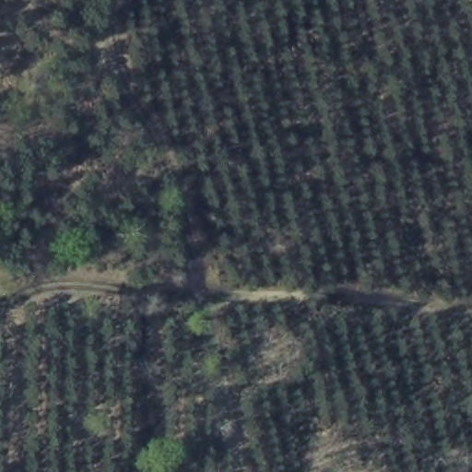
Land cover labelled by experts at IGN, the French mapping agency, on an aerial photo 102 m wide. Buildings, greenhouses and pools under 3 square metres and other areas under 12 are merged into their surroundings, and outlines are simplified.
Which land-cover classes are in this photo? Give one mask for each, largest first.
<instances>
[{"label":"bare soil","instance_id":"1","mask_svg":"<svg viewBox=\"0 0 472 472\"><path fill-rule=\"evenodd\" d=\"M111 22L103 29L107 39L98 42V63L105 68L111 81L118 85L122 105L127 112V118L138 120L142 124L144 135L147 144L170 149L166 151L168 160L181 166L173 177L184 197L181 242L186 260L183 265L179 273H173V282H155L133 286L125 282L79 275L65 277H53L50 278V282H44L39 288H31L28 280H24L18 291L0 297V387H6V472H28V413L39 417V472H48L50 415L46 413V409L50 393L48 374L52 354L59 356V472H87L85 448L92 446L94 463H101L107 441L114 442L116 472H138L136 463L140 454L146 450L147 444L166 435V415L170 411L184 409L186 398L192 396L197 404L195 435H184L183 442L186 454L175 468V472H260L245 435L242 398L243 393L247 391H251L254 396L258 395L265 385H269L273 420L280 435L282 454L297 452L301 461V466H293L288 470L277 465L273 441L269 435V424L265 419L264 400L256 398L254 413L260 428V442L264 448L269 472H387V466L376 468L369 463L371 454L385 452L383 426L391 428V442L395 444L396 461L400 466V472H411L398 426V406L406 407V422L415 437V455L419 461L420 472H472V454L461 448H452L450 452L442 450L441 433L435 424L431 393H441V400L457 395L461 400H465L463 372L454 352V324H459L465 336L463 347L472 354V293L466 291L461 297H454L452 306L444 304L441 299L439 273L431 265L426 247L415 258L417 262L407 265L406 269L413 291L407 299L400 295V278L396 275L395 260L387 242V234L393 230V221L389 218H383L376 190V177L367 183L369 205L372 216L376 219L378 247L382 251L385 267L387 278L395 286L389 293H365L360 289V275L352 249V234L345 216V206L341 203L337 190L328 144L324 140L321 111L313 98L308 70L304 63V52L299 41V17L295 9L297 0H282L288 13L289 33L282 35L278 28V0H262L273 35V57H265L264 35L258 22V11L254 6L258 0H225L227 26L214 28L219 57L223 63V87H219L212 74V59L206 46L205 31L201 26V17L197 9L199 0H184L192 24L195 48L203 59V76L216 107L218 127L214 129L206 125V112L203 111V100L195 81L192 61L186 59L173 65L171 61L170 44H177L179 50L186 48L181 18L177 17L175 11L177 0H147L153 20L159 28L162 59L146 65L147 81L151 87V103H146L142 98V90L136 88L133 83V70L127 65L129 46L125 44L124 35L127 20H135L136 28L146 26L142 15L144 0H111ZM240 2L245 4L249 15L254 50L258 53L256 63L247 57L245 44L240 37ZM230 50H236L242 66L243 85L249 94L256 133L264 147L267 160L269 184H262L260 181V168L253 157L249 127L243 116L242 103L238 100L234 88ZM286 52L293 53L295 72L299 76L304 94V105L297 107L299 118H289V127H284L280 114V101L293 98V88L289 83L284 61ZM159 72L168 74V83L173 92V107L179 122V135H171L170 125L166 120ZM177 72L186 74L188 90L194 100L195 118L199 125L197 133H190ZM225 109L234 112V124L240 135L238 144L230 140ZM264 122L273 124L278 144L282 147L288 175L286 183L278 181L275 151L269 144ZM216 131L225 151L229 153L230 179L242 208V232L232 227L227 190L216 164L214 144L210 140V135H214ZM310 138L321 153V162L324 166V177L321 179L315 175L313 168L312 153L308 149ZM242 164H245L251 173V183L256 192V205L260 210V221L264 227V238H254L249 199L243 188L242 177L238 173ZM206 179L214 181L219 197L218 206L210 205L206 199ZM267 194H275L277 199V218L280 223L278 229H271ZM286 194L293 195L295 199L302 240L312 253L310 269H304L301 249L291 236L288 212L284 205ZM323 194L332 197L339 219V230L343 236V245H336L332 240L330 223L326 219V210L321 201ZM310 212H315V218L319 223L326 247L324 254H319V247L313 242L308 219ZM227 236L230 242L240 247V256L234 258L232 264L243 280L249 282L256 277V282L262 289L253 291L242 288L232 293L229 289L216 286L219 275L218 269L214 267L206 273L205 256L218 247L219 238ZM258 247H264L267 251L278 282L284 277L282 258L289 256L291 265L297 273L299 289H264L267 286V278ZM324 264L332 265L334 284H326L319 288L315 286L319 304L341 306L343 312L347 315L348 337L358 365V376L367 389L369 417L374 422V431H365L361 426L360 404L348 376L347 358L343 339L337 332V321L332 317L328 321L319 319L310 324L317 339V367L321 374H324L330 371V367H337L339 382L347 396L350 415V428H343L339 422L337 400H330L328 407L332 426L328 430L319 431V404L313 380L304 376L297 380L293 376V367L299 365V361L306 360L301 345V337L306 336L301 326L304 323L310 310L308 304L302 301L304 291L301 289L308 280L315 278L317 282L319 278L324 277ZM28 301L39 302L37 334L41 339V391L39 400L33 404H28L26 398L24 376L26 326L22 323L26 321V310L22 306ZM253 301H265L264 315L267 326L262 330V336L253 339L251 345L243 347L238 354H230L229 350L223 347L221 326L225 324V319L232 317V337L254 330L256 312ZM50 310L55 312V319L63 332L68 330V321H76L74 358L77 361V402L74 411H66V343L50 336L44 326L46 313ZM376 312L382 313L385 332L383 343H378L372 328V317ZM435 312L441 324L442 341L446 345L444 358H437V345L431 334L428 313ZM413 317H419L426 339L428 352L422 356L419 354L415 330L411 326ZM105 319H111L114 324V389L124 385L122 369L125 343L122 336L125 323L133 321L136 324V348L131 365L135 382V419L133 446L127 457L124 455V444L120 441L124 428V411H120V402H107L105 391L107 354L101 334ZM168 319L175 321L173 376L183 371L186 352L190 350L194 354V382L184 383L177 391L175 402L170 404H166L162 396V389L166 383V354L162 328ZM358 328H363L367 336L376 371H369L365 365L358 339ZM88 336H94V385L98 402V406L90 409L87 407ZM387 354L395 365L396 385H389V376L383 369L382 356ZM206 391L216 395L212 433L205 431L206 402L203 395ZM306 7L304 29L315 57L317 81L323 90L339 88L343 92L345 105L337 111H332L337 140H347L343 122H350L354 131L356 153L361 160V170L382 166L387 175L389 206L398 203L395 170L391 166V160L385 157L382 129L374 107L378 98L383 101L387 122L391 127V135L395 140L396 151L404 170L409 205V219L406 221L419 223L420 216L419 205L411 162H419L422 175L424 171L430 170L431 166H442L446 160L442 159L441 151L437 155L424 153L415 120L413 98H420L422 101L428 135L448 136L455 127L454 124L437 122L431 105L433 88L441 90L439 101L446 103L448 88L441 79L437 46L431 41L430 18L426 7L428 0H415L424 31L422 39H415L411 18L407 15V0H376L380 6L383 35L389 52L393 55L395 76L398 77L404 92L407 129L413 140V147H407L396 116L395 101L387 92L385 61L378 53L374 39V24L367 9L371 0H337L343 26L350 37V53L354 59V68L347 70L341 57V42L330 9L332 0H302ZM315 9H321L323 13L324 31L330 39L328 57H321V41L317 39V31L313 24ZM389 13H395L404 29V39L407 48L411 50V65L415 70L413 77L406 76L404 72L402 52L398 48L395 31L391 28ZM369 63H372V65L376 66V70H378V90H376V92H369V76L365 74V65H369ZM361 109L369 111L376 155H369L365 149ZM437 22L441 26L442 42L446 46V59L452 66L457 94L466 87L461 74V63L455 57L454 39L450 35V20L459 22L463 46L466 52L470 53L472 61V0H433ZM352 216L361 236L365 267L374 264L369 227L361 212L360 190L356 184L347 183ZM452 442L457 441L459 435L465 433L472 439V415L463 420L461 426H455L448 431Z\"/></svg>","mask_w":472,"mask_h":472},{"label":"coniferous trees","instance_id":"2","mask_svg":"<svg viewBox=\"0 0 472 472\"><path fill-rule=\"evenodd\" d=\"M33 9L39 13V17H50L53 26H59L61 31H66L72 44L63 46L61 42H52L41 37L26 22L29 11ZM111 0H28V4L20 7L17 20L7 22V28L15 31L20 37V41L17 42L18 50H29L35 55V59L39 61L35 68L41 72L50 90L63 92V100L53 107V127L59 133H77V122L66 114L72 105H79L77 92L88 90L92 94H103L105 98L94 109L98 127L96 133L90 136V144L100 151L101 159L107 164H112V149L103 142L107 133H114V125L111 124L107 111L112 107L118 109L122 105L118 85L111 81H105L100 85L77 81L79 74L90 70V63L87 61L88 48L92 42H98L107 39L103 29L111 22ZM142 15L146 26L136 28L135 20H127L124 35L125 44L129 46L127 65L133 70V83L136 88L142 90V98L146 103H151V87L147 81L146 65L162 59L159 28L153 20L147 0H144ZM175 11L177 17L181 18L186 48L179 50L177 44H170L171 61L173 65L186 59L192 61L195 81L203 100V111L206 112V125L214 129L218 127L216 107L203 76V59L195 48L192 24L184 0H177ZM197 9L201 17V26L205 31L206 46L212 59V74L219 87H223V63L219 57L214 28L227 26L225 0H199ZM254 6L258 11V22L264 35L265 57H273V35L262 0H258ZM278 28L282 35L289 33L288 13L282 0H278ZM295 9L299 17V41L304 52V63L308 70L313 98L321 111L324 140L328 144L337 190L341 203L345 206V216L352 234V249L360 275V289L365 293H372V278L365 267L361 236L352 216L347 183L356 184L360 190L361 212L369 227L374 264L380 271L385 267L382 251L378 247L376 219L372 216L369 205L367 183L376 177V190L383 218H389V206L387 175L382 166L361 170V160L356 153L354 131L350 122H343L347 140H337L332 111H337L345 105L343 92L339 88L323 90L317 81L315 57L304 29L306 7L302 0H297ZM330 9L341 42V57L347 70L354 68V59L350 53V37L343 26L337 0H332ZM367 9L374 24V39L378 53L385 61L387 92L395 101L396 116L407 147H413V140L407 129L404 92L398 77L395 76L393 55L389 52L383 35L380 6L376 0H371ZM407 15L411 18L415 39H422L424 31L415 0H407ZM426 7L430 18L431 41L437 46L441 79L448 88L446 103L439 101L441 90L433 88L431 105L437 122L454 124L455 127L448 136L428 135L422 101L420 98H413L415 120L424 153L437 155L441 151L442 159L446 160L442 166H431L430 170L424 171L422 175L419 162H411L419 205H426L428 199H435L437 194L454 192L455 208L442 223V232H433L428 214L420 216L419 223L426 238V247L431 265L439 273L441 299L444 304L452 306L454 297H461L466 291L472 293V61L470 53L466 52L463 46L459 22L450 20V35L454 39L455 57L461 63V74L466 87L457 94L452 66L446 59V46L442 42L441 26L437 22L433 0H428ZM240 37L245 44L247 57L256 63L258 53L254 50L249 15L245 4L240 2ZM313 24L317 31V39L321 41V57H328L330 39L324 31L323 13L321 9H315ZM391 28L395 31L398 48L402 52L404 72L406 76L413 77L415 70L411 65V50L407 48L404 39V29L395 13H389ZM234 88L238 100L242 103L243 116L249 127L253 157L260 168V181L262 184H269L267 160L264 147L256 133L249 94L243 85L242 66L236 50H230ZM284 61L289 83L293 88V98L280 101V114L284 127H289V118H299L297 107L304 105V94L299 76L295 72L293 53L286 52ZM365 74L369 76V92H376V90H378V70H376V66L372 65V63H369V65H365ZM166 120L170 125L171 135H179V122L173 107V92L168 83V74L159 72ZM190 133H197L199 125L195 118L194 100L188 90L186 74L177 72ZM31 111V105L26 103L24 98L18 100L13 96L0 107V125L13 124L15 127V147H7L9 157L0 159V267L11 277H29V265L24 262L22 254L31 247V234L24 227H20L13 218L33 219L37 225L48 223L57 229L61 223H66L72 229H96L100 236L101 249L88 254L85 264L96 265L98 271H107V265L101 264L103 256L114 253L122 245H125L127 253L133 258H144L146 249L151 253L160 249L164 236V227L160 221L162 192L157 194L151 192L147 186H140V190L136 188L135 192L129 195H120V206L112 214L107 206L100 205L92 199L96 184L100 183V175L96 171L88 170L85 177L74 184V188L65 197L50 194L52 203L65 208V214L61 218L53 216L50 212H39V206L33 201L31 188L33 173L37 168H44L50 179H57L65 157L57 151L53 140L37 136L28 140L24 138V120ZM374 107L382 129L385 157L391 160V166L395 170L398 203L402 221H406L409 219V205L404 170L396 151L395 140L391 135V127L387 122L383 101L378 98ZM230 140L238 144L240 135L234 124V112L225 109ZM365 149L369 155H376L369 111L361 109ZM269 144L275 151L278 181L286 183L288 175L282 147L278 144L273 124L264 122ZM210 140L214 144L216 164L227 190L232 227L242 232V208L230 179L229 153L225 151L216 131L214 135H210ZM147 144L144 135L131 140V144L124 151L122 166L124 170H135L140 175H147L151 168L144 162ZM308 149L312 153L313 168L315 175L321 179L324 177V166L321 162V153L310 138ZM238 173L242 177L243 188L249 199L254 238H264V227L260 221V210L256 205V192L251 183V173L245 164H242ZM206 199L210 205L218 206L219 197L214 181L206 179ZM271 229H278L280 223L277 218V199L275 194H267ZM284 205L288 212L291 236L301 249L304 269H310L312 253L302 240L295 199L293 195L286 194ZM321 201L326 210V219L330 223L332 240L336 245H343V236L339 230V219L332 197L323 194ZM308 219L313 242L319 247V254H324L326 247L319 223L315 218V212H310ZM387 242L395 260L396 275L400 278V295L407 299L413 291L406 269L402 265L398 236L393 230L387 234ZM267 278V286L264 289H299L297 273L291 265L289 256L282 258L284 277L278 282L267 251L264 247H258ZM216 286L229 289L232 293L242 288L253 291L262 289L256 282V277L249 282L243 280L232 264L225 265V273L219 275ZM324 277L319 278L317 282L315 278L308 280L301 289L304 291L302 301L308 304L310 310L317 308L319 304L315 286L319 288L326 284H334L332 265L324 264ZM155 269L147 267L135 269V273H131L125 282L133 286L155 282ZM26 310V321L22 323L26 326L24 376L26 398L28 404H33L39 400L41 391V339L37 334L39 302L28 301L22 306ZM265 301H253L256 312L254 330L232 337V317L225 319V324L221 326L223 347L229 350L230 354H238L243 347L251 345L253 339L262 336V330L267 326L264 315ZM44 326L50 336L66 343V411H74L77 402V361L74 358L76 321H68V330L63 332L55 319V312L50 310L46 313ZM337 332L343 339L347 358L348 376L360 404L361 426L365 431H374V422L369 417L367 389L358 376V365L348 337L347 315L343 312L337 317ZM372 328L378 343H383L385 332L382 313L376 312L372 317ZM431 334L437 345V358H444L446 345L442 341L441 324L435 312L428 313ZM411 326L415 330L419 354L422 356L428 352L426 339L419 317H413ZM114 324L111 319H105L101 334L107 354L105 391L107 402H120V411H124V428L120 441L124 444V455L127 457L133 446L135 419V382L131 365L136 348V324L133 321L125 323L122 336L125 343L122 369L124 385L114 389ZM166 354V383L162 389V396L166 404H170L175 402L177 391L184 383L194 382V354L190 350L186 352L183 371L173 376L175 321L168 319L162 328ZM301 326L306 336L301 337V345L306 360L299 361V365L293 367V376L297 380L304 376L313 380L319 404V431L328 430L332 426L328 407L330 400H337L339 422L343 428H350V415L347 396L339 382L337 367H330V371L324 374H321L317 367V339L310 324L304 323ZM454 352L463 372L465 400H461L457 395L441 400V393H431L435 424L441 433L442 450L450 452L452 448H461L472 454V439L465 433L459 435L457 441L452 442L448 431L455 426H461L463 420L472 415V354L463 347L465 336L459 324H454ZM358 339L365 365L369 371H376L367 336L363 328H358ZM87 407L90 409L98 406V402L94 385V336H88ZM59 356L52 354L48 374L50 393L46 409V413L50 415L48 472H59ZM383 369L389 376V385H396L395 365L387 354L382 356ZM256 398L264 400L265 419L269 424V435L273 441L277 465L288 470L293 466H301V461L297 452L282 454L280 435L273 420L269 385H265L258 395L254 396L251 391H247L243 393L242 398L245 435L260 472H269L264 448L260 442V428L254 413ZM6 387H0V472H6ZM206 402L205 431L212 433L216 395L206 391L203 395ZM197 404L192 396L186 398L184 409L170 411L166 415V435L170 441L183 442L184 435H195ZM398 426L411 472H420L419 461L415 455V437L406 422V407L398 406ZM28 472H39V417L28 413ZM385 452L371 454L369 463L376 468L387 466V472H400V466L396 461L395 444L391 442V428L383 426ZM87 472H116L114 442L107 441L101 463H94L92 446L85 448Z\"/></svg>","mask_w":472,"mask_h":472},{"label":"herbaceous vegetation","instance_id":"3","mask_svg":"<svg viewBox=\"0 0 472 472\"><path fill-rule=\"evenodd\" d=\"M28 4V0H0V107L13 96L18 100L24 98L26 103L31 105V111L24 120V138L28 140L37 136L53 140L57 151L65 157L57 179H50L44 168H37L33 173L31 188L33 201L39 206V212H50L53 216L61 218L65 214V208L52 203L50 194L65 197L74 188V184L85 177L88 170L96 171L100 175V183L96 184L92 199L100 205L107 206L112 214L120 206V195H129L135 192L136 188L140 190V186H147L151 192L157 194L162 192V183L157 177H173L181 166L168 160L166 151L170 149L147 144L144 162L151 168L147 175H140L135 170H124L122 166L124 151L131 144V140L144 135L142 124L138 120L127 118V112L122 105L118 109L112 107L107 111L111 124L114 125V133H107L103 142L112 149V164H107L101 159L100 151L90 144V136L96 133L98 127L94 109L105 98L103 94H92L88 90L77 92L79 105H72L66 114L77 122V133H59L53 127V107L63 100V92L50 90L41 72L35 68L39 61L35 59V55L29 50H18L17 42L20 41V37L15 31L7 28V22L17 20L20 7ZM26 22L41 37L52 42H61L63 46L72 44L66 31H61L59 26H53L50 17H39V13L33 9L29 11ZM98 42H92L88 48L87 61L90 63V70L79 74L77 81L100 85L105 81H111L105 68L98 63ZM15 147V127L13 124L0 125V159L9 157L7 147ZM455 208L454 192L437 194L435 199H428L426 205H419L420 216L428 214L433 232H442V223ZM389 218L393 221V230L398 236L402 265L406 269L407 265L417 262L415 258L426 247V238L419 223L406 221H402L398 203L389 206ZM20 227H24L31 234V247L22 254L24 262L29 265V277H11L0 267V297L18 291L24 280H28L31 288H39L44 282H50V278L53 277L48 271V264L52 262L50 243L55 240L57 229L48 223L37 225L33 219L13 218ZM240 256V247L230 242L227 236L219 238L218 247L205 256L206 273L214 267L218 269L219 275L225 273V265L232 264L234 258ZM101 264L107 265V271H98L96 265L85 264L77 269H68L65 277L79 275L125 282L131 273H135V269L147 267L155 269V282H173V273H179L183 265L168 262L160 253V249L151 253L146 249L144 258H133L127 253L125 245H122L114 253L103 256ZM343 312L341 306L319 304L317 308L310 310L304 323L310 324L319 319L328 321L332 317L337 321V317Z\"/></svg>","mask_w":472,"mask_h":472},{"label":"deciduous trees","instance_id":"4","mask_svg":"<svg viewBox=\"0 0 472 472\"><path fill-rule=\"evenodd\" d=\"M162 183V192L160 221L164 227V236L160 249V253L168 262L183 265L186 260L181 242L184 197L173 177H157ZM52 262L48 264V271L53 277H65L68 269H77L85 264L88 254L101 249L100 236L96 229H72L66 223H61L57 229L55 240L50 243ZM186 454L183 442L170 441L166 435L147 444L146 450L140 454L136 463L138 472H175V468Z\"/></svg>","mask_w":472,"mask_h":472},{"label":"brushwood","instance_id":"5","mask_svg":"<svg viewBox=\"0 0 472 472\"><path fill-rule=\"evenodd\" d=\"M372 278V293H389L395 286L387 278L385 267L380 271L374 264L365 267Z\"/></svg>","mask_w":472,"mask_h":472}]
</instances>
